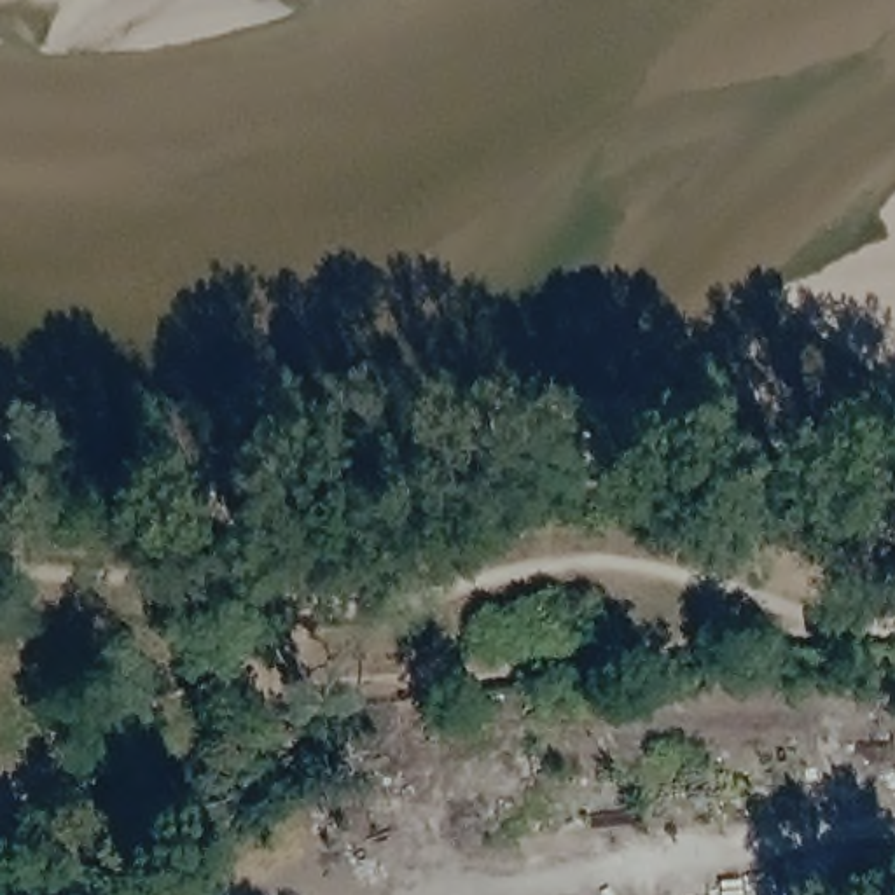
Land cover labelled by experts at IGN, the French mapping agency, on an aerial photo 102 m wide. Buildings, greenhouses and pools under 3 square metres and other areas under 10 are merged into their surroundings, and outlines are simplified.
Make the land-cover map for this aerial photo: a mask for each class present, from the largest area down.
<instances>
[{"label":"water","instance_id":"1","mask_svg":"<svg viewBox=\"0 0 895 895\"><path fill-rule=\"evenodd\" d=\"M287 3V17L224 31L213 38L136 52H45L56 7L35 0H0V409L3 402L10 406L28 402L56 416L63 448L70 451V465L63 472L70 489L98 486L105 461L136 454V423L143 420V399L154 395L178 406H199L217 430H224L234 416H252L259 423L269 416L273 399L283 392V367L301 374L308 367H336L343 360L392 364L395 371L413 367L427 381L451 378V385L468 388L475 381H496L517 388V395L528 402L545 395L549 388H570L594 416H608L612 409L626 406V399L636 388L685 378L703 381L706 364H713L703 339L696 332H685V318L713 322L710 290H731L745 283L755 269L780 273L783 287L797 276L822 273L825 266L885 238L881 210L895 196V0H280Z\"/></svg>","mask_w":895,"mask_h":895},{"label":"deciduous trees","instance_id":"2","mask_svg":"<svg viewBox=\"0 0 895 895\"><path fill-rule=\"evenodd\" d=\"M283 392L273 399L269 416L259 423L252 441L241 444L234 468V486L238 493H245V507L217 521L210 517L213 503L196 500L199 472H192L189 465L196 451L178 416V406L154 395L143 399V420L136 423V454L105 461L98 486L70 489L63 472L70 465V451L63 448L56 416L28 402L10 406V430L17 441L21 475L0 486V643H17L24 650L28 640L42 636L45 608L35 601V580H70L84 591H94L98 570H112L126 559V566L140 580V591L154 598L168 643L182 647L185 678L175 682L192 717V741L189 752L175 759L182 762L189 794L185 808H168L154 818V850L136 846L115 853L108 818L94 808V783L98 769L105 766L108 734L122 731L126 720L150 724L154 689L143 685L133 668H119L105 661V654H94L80 682H66L52 696L31 703V713L42 724L38 738L49 745V755L66 769V776L35 808L17 811L14 829L0 836V895H227L231 885H241L234 878V860L245 839L269 846L276 822H283L297 808H318L336 825H346V811L339 808L343 794H371L374 780L364 769L346 766V745L374 734V720L360 713L367 696L364 689L343 682L311 685L308 678H301L280 685V692L273 696L255 689V678L248 671L252 657H262L266 668L276 671L283 661L280 650L294 643V629H304L308 619L294 601L297 591L315 587L325 601H357V612L378 622L381 605L395 591H430L437 584L479 573L482 566L503 563L514 549L517 531L545 528L549 521L573 524L591 538L598 528L615 521L622 531L636 538L643 552L689 566H703L710 559H738L766 545L801 552L825 573L818 601L804 608L808 633L794 636L776 622V615L762 608L755 612V622L748 629L724 633L720 626H703L699 636L685 640V647H671L668 657L661 654V647L668 640V622H633L629 601L612 598L608 587L598 580L538 573L528 580H514L500 591H475L461 605L458 636H451V643L461 650L465 661L454 664L430 689L427 706L416 710L423 727L434 731H479L496 713V692H524L528 710H580L587 703L608 724L650 717L664 703L696 699L717 685L727 696L776 689L790 703L787 713L818 710L829 696L839 692L853 696L857 703L888 696V710L895 713V573H881L878 580L860 577L843 552V542L881 535L888 493L895 489V423H885V416H871L857 402H836L825 409H811L801 423L790 427H748L745 420H738V399L727 374L713 364H706L703 381L685 378L636 388L626 399V406L612 409L608 416H594L570 388H549L545 395L528 402L517 395V388L496 381H475L468 388L451 385V378L427 381L413 367L395 371L392 364L343 360L336 367H308L301 374L283 367ZM794 895H895V857L885 867L850 874L836 885H829L825 878L804 881Z\"/></svg>","mask_w":895,"mask_h":895},{"label":"herbaceous vegetation","instance_id":"3","mask_svg":"<svg viewBox=\"0 0 895 895\"><path fill-rule=\"evenodd\" d=\"M21 475L17 441L10 430V406L3 402L0 409V486ZM178 416L196 451L189 465L192 472H199L196 500L213 503L210 517L217 521L245 507V493H238L234 486V468L241 444L252 441L259 423L252 416H234L224 430H217L199 406H178ZM843 552L860 577L878 580L881 573H895V489L888 493L881 535L843 542ZM570 552H643L636 538L622 531L615 521L598 528L591 538L573 524L549 521L545 528L517 531L514 549L503 563ZM696 584H689L685 591L671 580L636 573H601L598 580L608 587L612 598L629 601L633 622H668V640L661 647V654L668 657L671 647H685V640L699 636L703 626H720L724 633L748 629L755 622V612L762 608L738 591H720L727 577H734V584L748 580V587H766L804 608L818 601L825 573L801 552L766 545L738 559H710L703 566H689ZM35 601L45 608L42 636L28 640L24 650L17 643H0V773L17 769L31 738H38L42 724L31 713V703L52 696L66 682H80L94 654H105V661L119 668H133L143 685L154 689L150 724L126 720L122 731L108 734L105 766L98 769L94 783V808L108 818L115 853L136 846L154 850V818L168 808H185L189 794L182 762L175 759L189 752L192 741V717L175 682L185 678L182 647L168 643L154 598L140 591V580L126 566V559L112 570H98L94 591H84L70 580H35ZM294 601L308 619L304 629H294V643L280 650L283 661L276 671L266 668L262 657H252L248 671L255 678V689L273 696L280 692V685L301 678H308L311 685L343 682L364 689L367 696L360 713L374 720V734L346 745V766L364 769L374 780L371 794H343L339 808L346 811V825H336L318 808H297L283 822H276L269 846L245 839L234 860V878L241 885H231L227 895H395L427 885L441 871H454L458 864L465 874L486 878L545 874L563 864L608 857L612 850H619L622 839L636 832L626 825V811H615L619 790L612 787V780L598 773V752H608L612 759H633L647 731L668 727H682L685 734L703 738L713 759L706 769L678 766L671 776L675 790H668L661 804L643 808L640 832L675 836L703 825L710 836H727L734 825H748V797H766L790 780L818 783L836 766H850L857 783H881L888 769H895V713L888 710V696L857 703L853 696L839 692L829 696L818 710L787 713L790 703L776 689L727 696L717 685L696 699L664 703L650 717L608 724L587 703L580 710H528L524 692H496V713L479 731H434L423 727L416 710L427 706L430 689L454 664L465 661L461 650L451 643V636H458L461 605H441L416 636H399L395 650L388 643H374L371 636L346 647L329 643L318 629L343 626V619L357 612V601H325L315 587L297 591ZM552 748L559 755H573L580 773L566 780L545 822H528V836H521L514 846L489 850V818H503L521 804V787H528L531 773Z\"/></svg>","mask_w":895,"mask_h":895},{"label":"pervious surface","instance_id":"4","mask_svg":"<svg viewBox=\"0 0 895 895\"><path fill-rule=\"evenodd\" d=\"M538 573L598 580L601 573H636L671 580L685 591L689 584H696L689 566L643 552H570L503 563L482 566L479 573L437 584L430 591H395L381 605L378 622L357 612L343 619V626L318 629L329 643L346 647L371 636L374 643H388L395 650L399 636H416L441 605H461L475 591H500L514 580H528ZM720 591H738L762 608L776 615V622L794 636L808 633L804 608L766 587H748V580L734 584V577H727ZM66 776V769L49 755V745L38 738H31L17 769L0 773V836L14 829L17 811L35 808ZM748 825H734L727 836H710L703 825L675 836L640 832H636L622 839L619 850H612L608 857L563 864L545 874L486 878L465 874L458 864L454 871H441L427 885L395 895H794L804 881L825 878L829 885H836L850 874L885 867L895 857V769H888L881 783H857L850 766H836L818 783L790 780L766 797H748Z\"/></svg>","mask_w":895,"mask_h":895},{"label":"bare soil","instance_id":"5","mask_svg":"<svg viewBox=\"0 0 895 895\"><path fill-rule=\"evenodd\" d=\"M56 7L45 52H136L213 38L224 31L287 17V3L280 0H35ZM885 238L825 266L822 273L797 276L783 287L780 273L755 269L745 283L731 290H710L713 322L685 318V332H696L703 339L713 364L727 374L738 399V420H745L748 427H790L801 423L811 409H825L836 402H857L871 416H885V423H895V196L881 210Z\"/></svg>","mask_w":895,"mask_h":895},{"label":"brushwood","instance_id":"6","mask_svg":"<svg viewBox=\"0 0 895 895\"><path fill-rule=\"evenodd\" d=\"M713 759L703 738L685 734L682 727H668L647 731L633 759H612L608 752H598V773L612 780V787L619 790L615 811H626V825L636 832H640L643 808L661 804L668 790H675L671 776L678 766L706 769ZM580 773L573 755H559L552 748L531 773L528 787H521V804L503 818H489V850L514 846L521 836H528V822H545L566 780Z\"/></svg>","mask_w":895,"mask_h":895}]
</instances>
